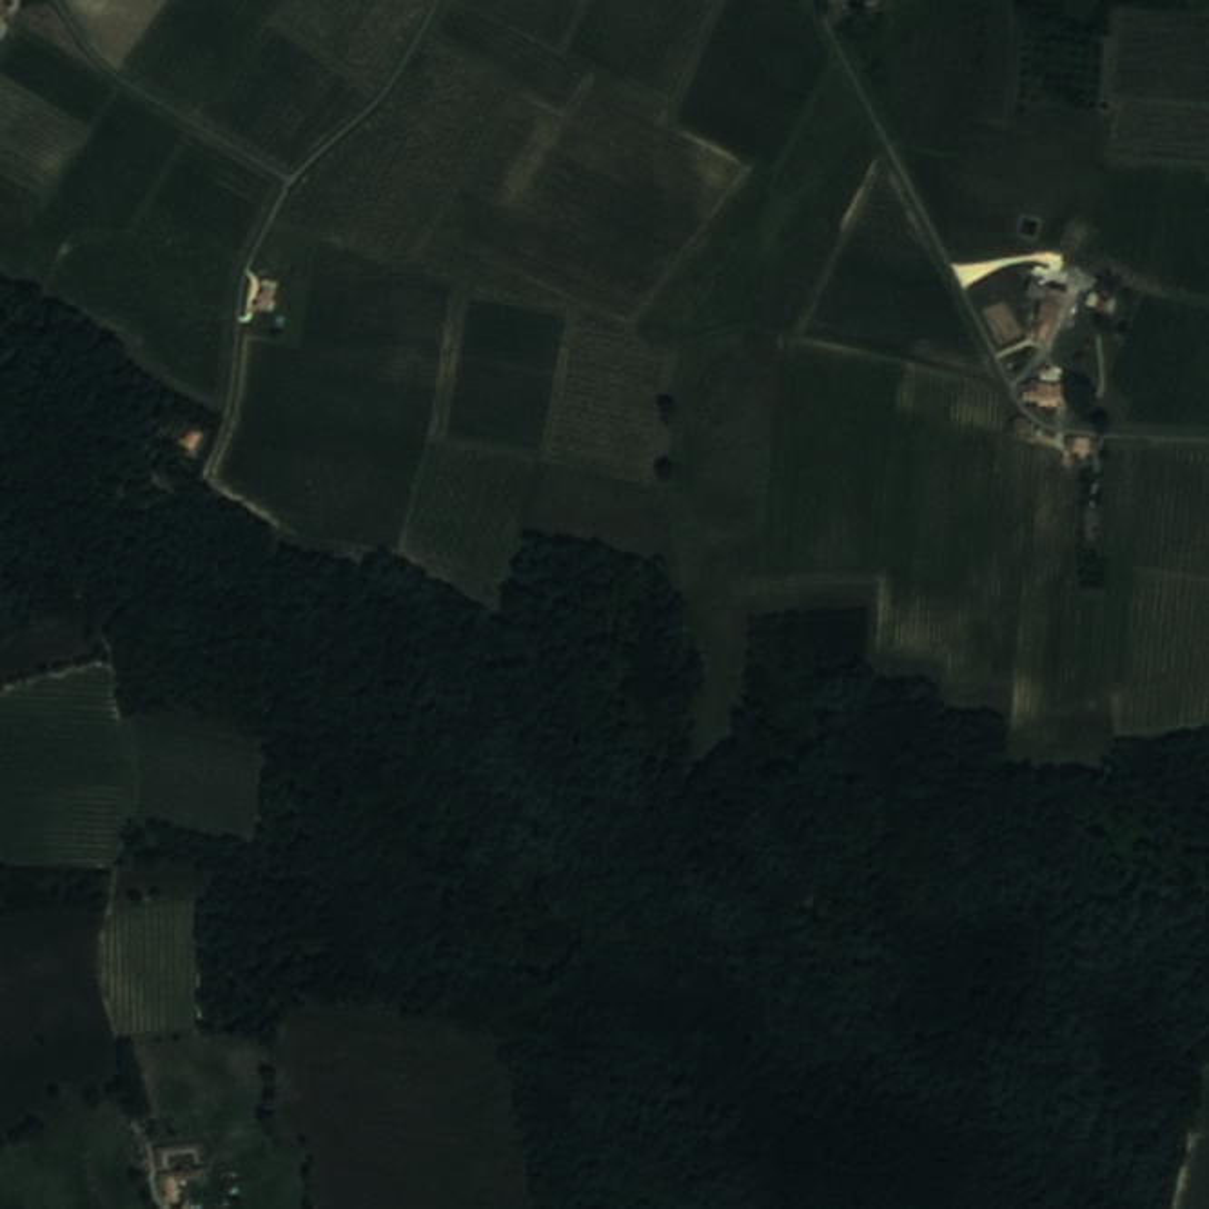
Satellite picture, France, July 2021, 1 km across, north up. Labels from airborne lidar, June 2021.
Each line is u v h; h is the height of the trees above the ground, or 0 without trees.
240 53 0
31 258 0
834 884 24
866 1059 23
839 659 5
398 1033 0
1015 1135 22
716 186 0
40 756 0
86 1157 0
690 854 24
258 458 0
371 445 0
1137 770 10
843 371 0
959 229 0
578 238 0
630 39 0
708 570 0
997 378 0
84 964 0
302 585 21
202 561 24
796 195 0
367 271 0
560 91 0
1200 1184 0
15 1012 0
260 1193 0
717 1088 16
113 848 0
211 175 0
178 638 20
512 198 0
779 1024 20
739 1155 26
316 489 0
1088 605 0
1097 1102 26
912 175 0
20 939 0
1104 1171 21
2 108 0
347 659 23
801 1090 13
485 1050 0
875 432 0
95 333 21
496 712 15
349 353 0
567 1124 24
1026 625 0
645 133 0
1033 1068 17
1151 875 16
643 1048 17
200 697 11
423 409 0
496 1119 0
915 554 0
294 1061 0
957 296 0
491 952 25
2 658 0
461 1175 0
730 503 0
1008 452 0
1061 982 21
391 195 0
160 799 0
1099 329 14
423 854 27
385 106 0
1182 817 18
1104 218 0
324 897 17
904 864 23
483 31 0
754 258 0
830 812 28
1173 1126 21
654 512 0
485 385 0
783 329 0
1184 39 0
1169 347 0
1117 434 0
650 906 25
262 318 0
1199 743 15
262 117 0
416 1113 0
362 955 22
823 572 0
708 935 20
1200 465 0
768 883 25
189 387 0
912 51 0
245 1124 0
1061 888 24
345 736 26
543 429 0
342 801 26
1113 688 0
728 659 0
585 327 0
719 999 14
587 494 0
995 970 22
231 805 0
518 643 19
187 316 0
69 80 0
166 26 0
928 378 0
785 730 7
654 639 9
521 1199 0
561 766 15
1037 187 0
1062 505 0
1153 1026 21
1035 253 0
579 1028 20
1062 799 17
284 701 27
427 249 0
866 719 20
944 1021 22
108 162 0
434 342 0
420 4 0
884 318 0
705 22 0
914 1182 19
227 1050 0
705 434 0
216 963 18
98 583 21
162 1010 0
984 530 0
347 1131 0
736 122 0
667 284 0
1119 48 0
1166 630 0
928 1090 22
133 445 14
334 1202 0
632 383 0
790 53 0
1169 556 0
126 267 0
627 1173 25
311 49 0
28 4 9
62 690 0
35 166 0
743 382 0
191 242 0
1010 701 0
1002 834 21
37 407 14
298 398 0
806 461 0
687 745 15
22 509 20
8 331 18
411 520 0
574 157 0
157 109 0
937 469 0
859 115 0
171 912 0
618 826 21
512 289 0
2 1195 0
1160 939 18
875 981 23
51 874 6
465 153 0
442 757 26
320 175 0
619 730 17
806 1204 17
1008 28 0
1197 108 0
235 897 16
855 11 9
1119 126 0
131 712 13
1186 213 0
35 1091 0
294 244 0
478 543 0
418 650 20
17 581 22
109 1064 0
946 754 26
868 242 0
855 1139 15
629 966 18
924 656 0
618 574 14
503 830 15
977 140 0
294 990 15
